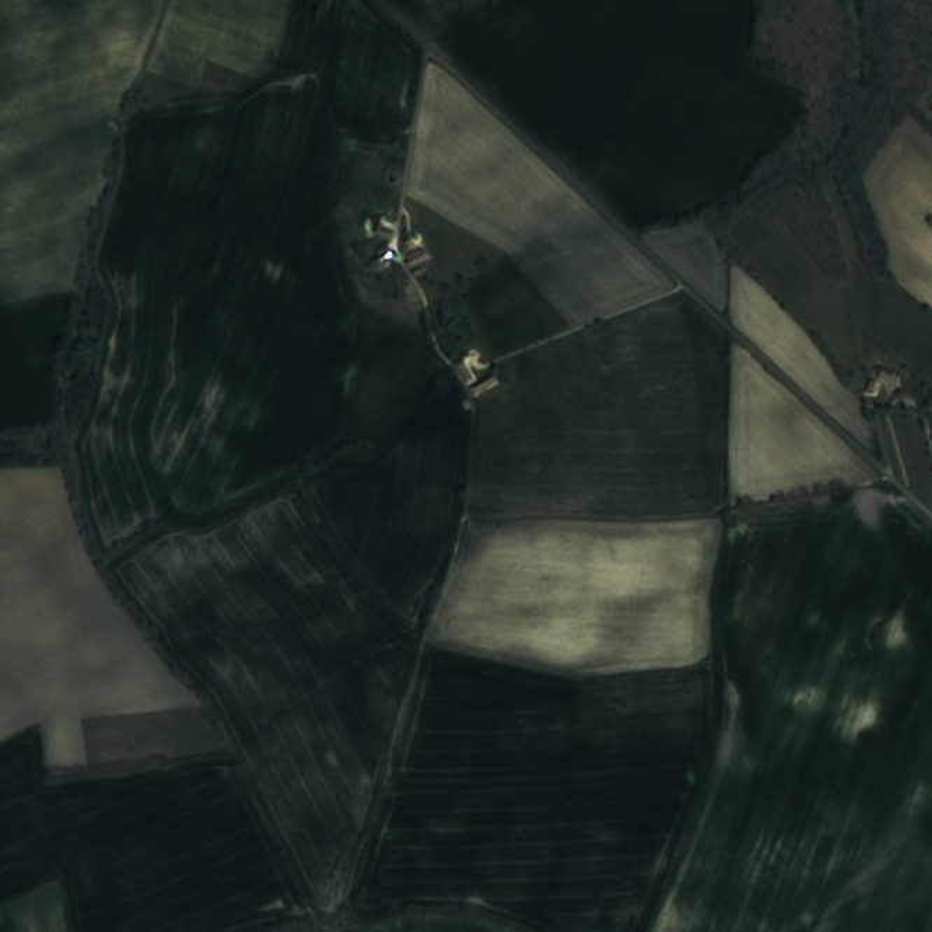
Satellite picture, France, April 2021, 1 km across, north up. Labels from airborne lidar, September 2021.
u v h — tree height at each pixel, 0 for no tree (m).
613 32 0
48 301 0
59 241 0
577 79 0
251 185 0
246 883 0
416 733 0
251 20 0
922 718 0
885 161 0
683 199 0
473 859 0
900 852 0
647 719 0
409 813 0
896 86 11
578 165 0
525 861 0
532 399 0
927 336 0
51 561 0
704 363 0
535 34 0
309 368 0
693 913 0
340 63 0
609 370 0
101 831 0
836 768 0
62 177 0
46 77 0
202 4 0
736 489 0
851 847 0
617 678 0
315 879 0
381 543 0
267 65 0
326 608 0
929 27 13
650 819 0
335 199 0
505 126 0
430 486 0
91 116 0
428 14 0
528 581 0
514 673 0
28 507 0
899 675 0
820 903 0
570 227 0
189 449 0
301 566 0
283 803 0
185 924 0
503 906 0
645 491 0
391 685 0
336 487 0
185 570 0
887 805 0
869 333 0
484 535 0
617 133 0
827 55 17
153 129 0
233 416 0
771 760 0
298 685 0
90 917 0
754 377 0
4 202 0
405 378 0
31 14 0
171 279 0
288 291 0
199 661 0
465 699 0
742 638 0
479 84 0
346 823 0
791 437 0
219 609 0
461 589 0
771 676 0
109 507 0
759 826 0
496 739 0
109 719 0
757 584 0
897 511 0
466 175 0
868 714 0
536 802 0
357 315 0
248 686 0
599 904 0
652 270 0
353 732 0
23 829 0
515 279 0
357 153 0
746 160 0
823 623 0
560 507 0
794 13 14
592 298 0
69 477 14
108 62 0
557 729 0
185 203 0
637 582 0
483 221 0
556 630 0
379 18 0
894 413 11
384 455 0
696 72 0
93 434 0
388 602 0
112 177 11
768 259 0
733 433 0
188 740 0
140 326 0
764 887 0
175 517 0
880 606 0
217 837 0
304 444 0
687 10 0
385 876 0
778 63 6
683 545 0
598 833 0
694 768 0
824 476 0
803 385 0
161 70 0
